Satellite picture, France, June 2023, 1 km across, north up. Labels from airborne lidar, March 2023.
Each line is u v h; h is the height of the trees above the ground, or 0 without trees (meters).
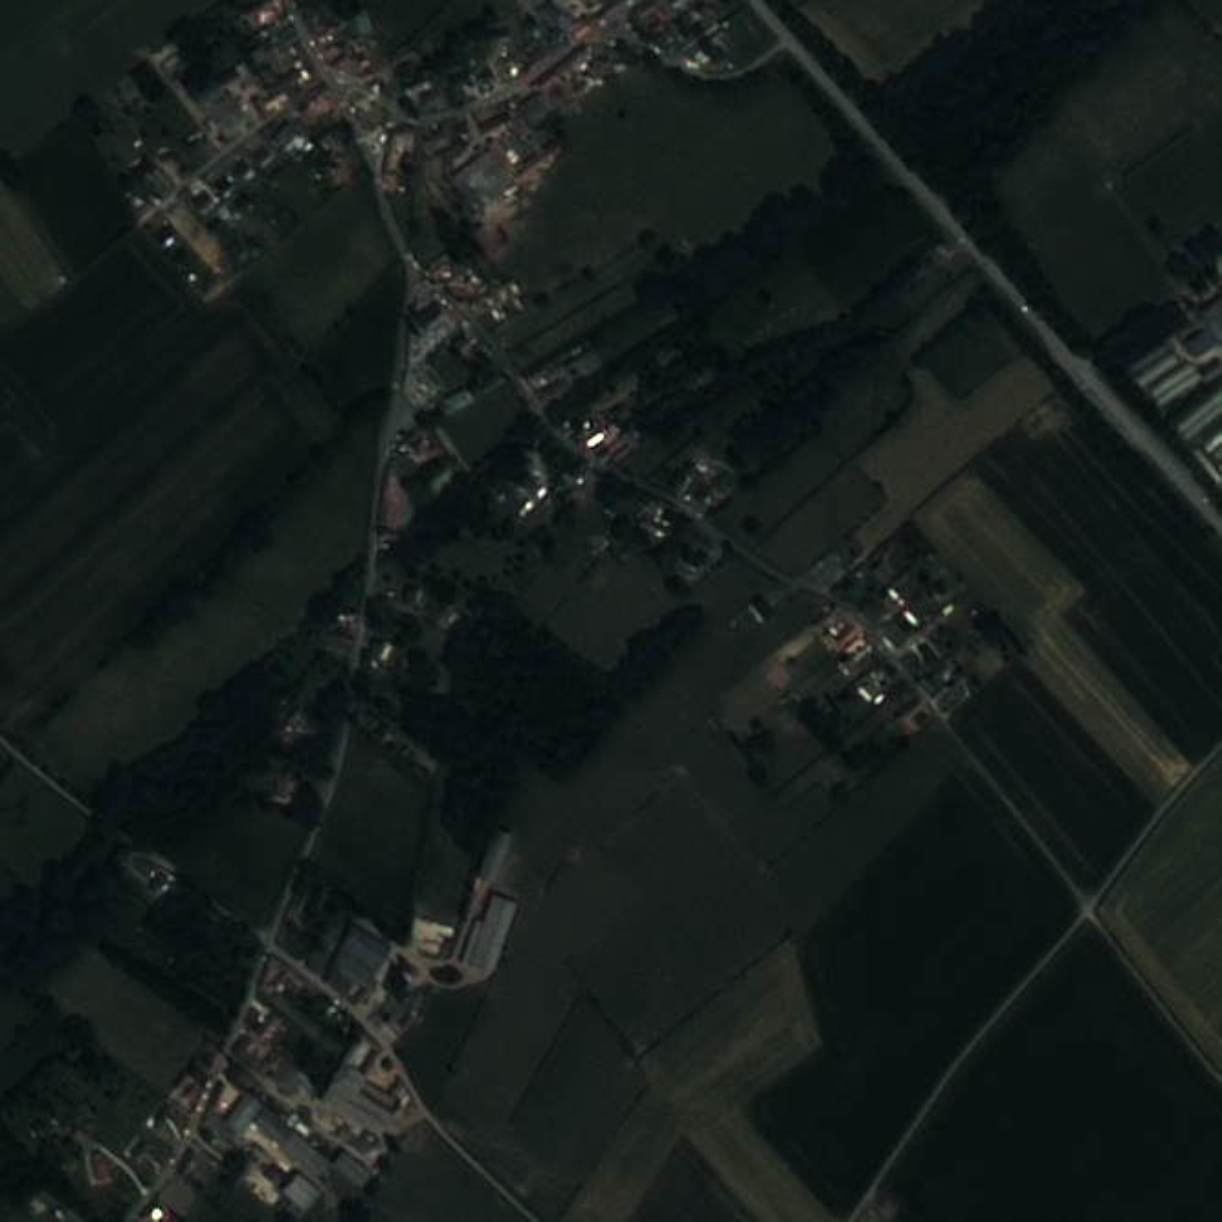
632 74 0
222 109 0
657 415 8
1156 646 0
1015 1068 0
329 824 0
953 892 0
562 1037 0
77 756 0
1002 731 0
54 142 0
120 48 0
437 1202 0
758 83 7
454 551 0
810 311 0
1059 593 0
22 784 0
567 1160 0
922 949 0
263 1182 0
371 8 0
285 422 0
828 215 0
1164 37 0
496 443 0
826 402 14
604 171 0
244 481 0
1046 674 0
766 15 0
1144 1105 0
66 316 0
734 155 0
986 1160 0
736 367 12
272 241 0
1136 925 0
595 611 0
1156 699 0
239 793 22
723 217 0
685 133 0
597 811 0
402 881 0
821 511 0
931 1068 0
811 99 6
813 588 0
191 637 0
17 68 0
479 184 0
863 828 0
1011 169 0
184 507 0
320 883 6
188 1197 0
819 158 0
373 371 0
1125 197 0
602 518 0
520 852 0
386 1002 0
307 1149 0
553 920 0
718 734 0
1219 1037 0
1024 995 0
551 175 0
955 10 0
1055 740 0
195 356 0
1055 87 11
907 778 0
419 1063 0
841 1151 0
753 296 0
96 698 0
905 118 29
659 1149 0
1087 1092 0
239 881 0
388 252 0
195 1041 0
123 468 0
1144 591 0
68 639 0
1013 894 0
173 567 0
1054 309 12
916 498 0
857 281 0
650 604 0
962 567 0
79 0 0
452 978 6
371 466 0
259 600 0
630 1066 0
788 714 0
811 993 0
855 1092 0
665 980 0
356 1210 13
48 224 0
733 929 0
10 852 0
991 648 0
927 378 0
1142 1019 0
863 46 0
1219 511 0
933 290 0
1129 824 0
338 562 0
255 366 0
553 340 0
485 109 0
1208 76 0
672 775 0
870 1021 0
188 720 0
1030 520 0
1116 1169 0
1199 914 0
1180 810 0
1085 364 0
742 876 0
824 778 0
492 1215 0
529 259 0
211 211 0
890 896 0
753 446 24
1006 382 0
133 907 0
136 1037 0
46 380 0
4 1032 0
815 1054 0
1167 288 0
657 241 8
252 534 26
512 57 0
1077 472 0
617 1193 0
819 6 0
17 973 25
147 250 0
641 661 16
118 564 0
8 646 0
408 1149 0
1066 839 0
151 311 0
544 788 0
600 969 0
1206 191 0
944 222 0
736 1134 0
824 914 0
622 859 0
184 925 12
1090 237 0
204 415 0
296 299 0
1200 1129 0
